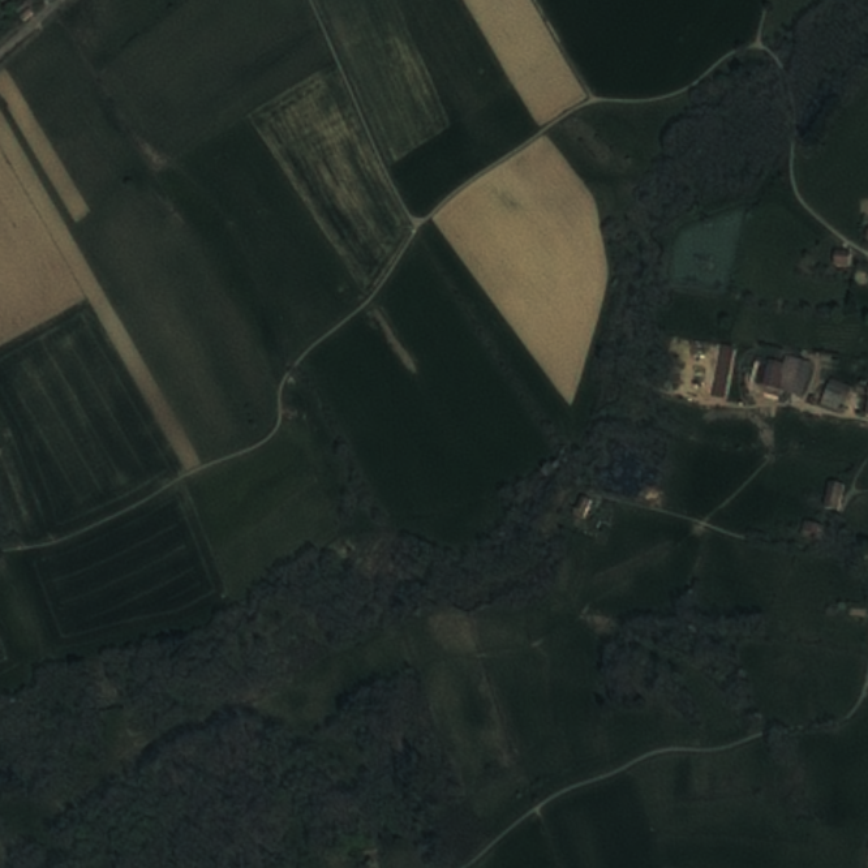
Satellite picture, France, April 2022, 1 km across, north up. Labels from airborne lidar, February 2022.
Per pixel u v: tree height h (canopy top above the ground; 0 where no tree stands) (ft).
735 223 0
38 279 0
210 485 0
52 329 0
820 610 0
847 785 0
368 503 53
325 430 0
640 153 0
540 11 0
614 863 0
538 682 0
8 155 0
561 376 0
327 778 87
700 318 0
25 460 0
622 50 0
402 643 0
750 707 70
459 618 0
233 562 0
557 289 0
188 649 90
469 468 0
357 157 0
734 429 0
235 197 0
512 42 0
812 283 0
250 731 125
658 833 0
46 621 0
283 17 0
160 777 100
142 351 0
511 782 0
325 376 0
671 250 0
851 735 0
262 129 0
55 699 69
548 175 0
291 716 0
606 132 0
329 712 0
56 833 70
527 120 0
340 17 0
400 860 0
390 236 0
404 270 0
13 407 0
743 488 0
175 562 0
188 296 0
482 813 0
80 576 0
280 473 0
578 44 0
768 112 83
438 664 0
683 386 0
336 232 0
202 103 0
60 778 75
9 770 20
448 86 0
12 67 0
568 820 0
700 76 0
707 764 0
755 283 0
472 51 0
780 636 0
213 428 0
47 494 0
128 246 0
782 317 0
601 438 63
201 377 0
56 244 0
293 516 0
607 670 36
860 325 0
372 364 0
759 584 0
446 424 0
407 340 0
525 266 0
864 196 0
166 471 0
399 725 67
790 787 0
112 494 0
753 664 0
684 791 0
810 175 0
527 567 68
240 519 0
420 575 89
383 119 0
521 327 0
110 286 0
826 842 0
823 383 0
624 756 0
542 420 21
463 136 0
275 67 0
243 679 59
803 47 71
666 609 0
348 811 109
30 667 0
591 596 0
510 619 0
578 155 0
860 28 68
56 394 0
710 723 0
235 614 52
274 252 0
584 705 0
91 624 0
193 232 0
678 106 0
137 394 0
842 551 58
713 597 0
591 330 0
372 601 71
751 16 0
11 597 0
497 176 0
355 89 0
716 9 0
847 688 0
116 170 0
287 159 0
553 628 0
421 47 0
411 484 0
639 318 77
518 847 0
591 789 0
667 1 0
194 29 0
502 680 0
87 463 0
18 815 0
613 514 53
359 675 0
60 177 0
